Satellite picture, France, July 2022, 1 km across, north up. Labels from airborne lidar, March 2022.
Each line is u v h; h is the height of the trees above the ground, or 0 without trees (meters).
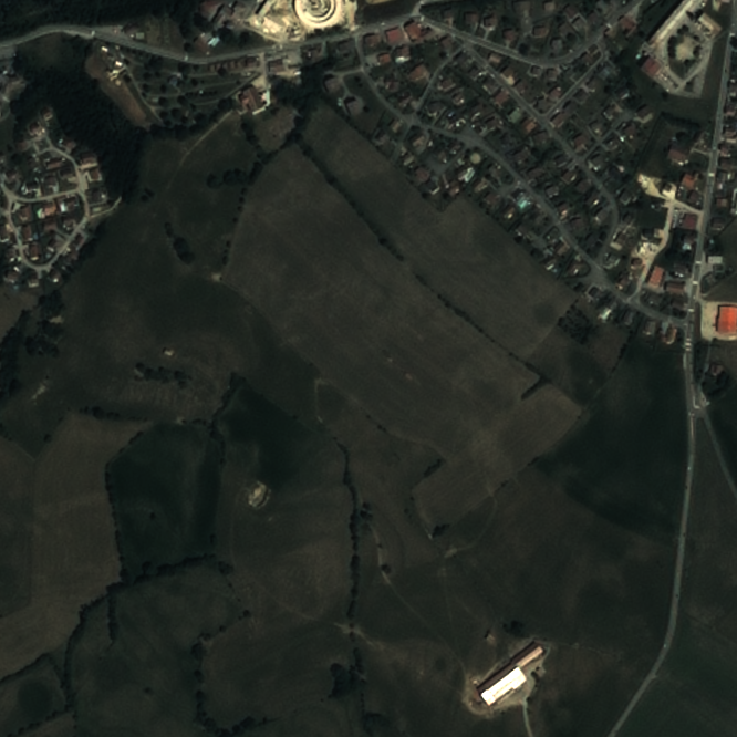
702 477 0
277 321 0
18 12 21
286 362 0
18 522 0
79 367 0
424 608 0
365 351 0
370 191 0
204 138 0
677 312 8
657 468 0
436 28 0
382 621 0
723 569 0
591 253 7
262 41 0
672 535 0
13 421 0
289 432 0
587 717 0
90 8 7
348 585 0
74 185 0
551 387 0
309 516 0
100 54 0
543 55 0
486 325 0
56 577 0
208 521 0
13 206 0
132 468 0
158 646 0
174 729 0
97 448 0
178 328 0
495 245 0
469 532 0
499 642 0
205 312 0
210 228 0
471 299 0
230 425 0
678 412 0
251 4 0
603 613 0
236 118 0
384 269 0
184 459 0
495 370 0
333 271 0
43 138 0
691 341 0
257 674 0
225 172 0
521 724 0
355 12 0
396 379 0
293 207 0
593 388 0
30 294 0
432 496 0
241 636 0
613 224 0
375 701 0
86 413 8
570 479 0
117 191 8
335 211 0
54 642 0
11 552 0
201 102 0
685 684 0
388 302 0
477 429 0
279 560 0
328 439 0
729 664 0
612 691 0
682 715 0
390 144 0
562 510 0
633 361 0
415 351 0
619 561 0
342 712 0
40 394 0
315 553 0
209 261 0
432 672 0
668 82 0
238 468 0
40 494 0
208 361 0
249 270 0
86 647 0
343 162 0
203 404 0
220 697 0
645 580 0
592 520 0
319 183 0
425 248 0
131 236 0
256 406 0
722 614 0
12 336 12
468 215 0
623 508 0
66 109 9
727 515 0
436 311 0
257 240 0
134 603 0
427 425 0
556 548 0
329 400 0
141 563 0
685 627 0
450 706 0
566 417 0
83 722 0
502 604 0
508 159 0
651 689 0
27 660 0
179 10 27
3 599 0
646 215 0
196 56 0
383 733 0
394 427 0
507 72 0
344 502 0
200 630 0
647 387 0
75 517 0
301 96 14
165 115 13
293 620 0
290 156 0
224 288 0
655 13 0
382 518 0
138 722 0
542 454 0
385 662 0
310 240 0
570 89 0
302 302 0
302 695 0
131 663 0
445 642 0
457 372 0
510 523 0
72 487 0
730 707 0
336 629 0
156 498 0
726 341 0
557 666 0
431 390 0
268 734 0
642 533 0
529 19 0
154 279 0
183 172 0
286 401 0
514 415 0
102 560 0
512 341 0
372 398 0
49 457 0
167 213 0
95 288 0
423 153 0
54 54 0
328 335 0
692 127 16
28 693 0
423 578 0
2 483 0
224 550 0
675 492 0
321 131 0
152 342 0
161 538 0
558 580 0
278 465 0
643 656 0
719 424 0
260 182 0
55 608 0
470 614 0
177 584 0
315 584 0
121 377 0
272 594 0
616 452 0
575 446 0
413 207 0
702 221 0
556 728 0
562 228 0
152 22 0
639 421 0
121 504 0
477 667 0
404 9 0
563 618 0
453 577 0
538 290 0
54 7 17
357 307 0
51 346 6
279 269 0
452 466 0
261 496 0
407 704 0
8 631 0
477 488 0
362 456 0
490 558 0
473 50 0
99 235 10
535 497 0
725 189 0
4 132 0
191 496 0
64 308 8
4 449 0
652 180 0
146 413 0
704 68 0
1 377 9
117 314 0
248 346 0
